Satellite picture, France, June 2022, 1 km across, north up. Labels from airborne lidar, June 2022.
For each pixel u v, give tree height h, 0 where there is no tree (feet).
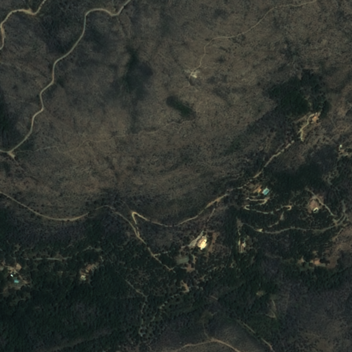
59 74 0
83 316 40
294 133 54
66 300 25
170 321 47
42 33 23
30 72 0
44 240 31
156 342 36
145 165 0
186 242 22
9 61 0
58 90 0
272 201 28
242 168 26
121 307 49
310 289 46
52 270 21
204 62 0
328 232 22
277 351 31
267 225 25
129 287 29
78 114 0
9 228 26
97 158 0
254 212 26
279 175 27
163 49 0
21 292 33
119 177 0
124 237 22
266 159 35
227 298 41
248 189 27
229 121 0
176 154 0
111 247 41
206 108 0
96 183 0
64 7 39
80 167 0
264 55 0
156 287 27
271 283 39
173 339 20
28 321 52
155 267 34
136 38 0
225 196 20
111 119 0
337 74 0
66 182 0
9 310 43
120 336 43
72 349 44
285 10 0
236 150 29
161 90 0
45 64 0
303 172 24
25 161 0
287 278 26
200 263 22
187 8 0
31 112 0
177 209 0
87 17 26
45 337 46
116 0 0
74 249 35
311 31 0
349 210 31
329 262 46
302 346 21
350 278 31
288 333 35
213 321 45
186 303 25
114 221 40
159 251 28
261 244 27
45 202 0
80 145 0
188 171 0
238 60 0
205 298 47
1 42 0
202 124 0
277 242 35
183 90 0
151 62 0
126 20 0
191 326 38
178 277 42
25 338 37
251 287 34
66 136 0
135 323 29
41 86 0
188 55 0
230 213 19
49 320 49
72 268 34
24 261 64
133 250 30
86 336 38
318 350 20
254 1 0
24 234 35
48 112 0
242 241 30
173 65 0
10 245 33
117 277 40
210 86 0
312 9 0
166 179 0
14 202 0
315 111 44
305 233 32
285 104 40
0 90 27
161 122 0
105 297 44
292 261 19
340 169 36
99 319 56
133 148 0
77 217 0
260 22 0
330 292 47
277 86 37
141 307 35
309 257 54
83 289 35
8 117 21
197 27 0
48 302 46
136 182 0
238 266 26
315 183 30
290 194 27
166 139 0
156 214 0
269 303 24
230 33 0
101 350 33
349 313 32
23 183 0
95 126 0
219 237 27
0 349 31
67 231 29
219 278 35
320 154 22
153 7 0
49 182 0
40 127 0
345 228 22
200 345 0
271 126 43
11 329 31
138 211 25
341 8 0
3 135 31
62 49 41
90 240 48
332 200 24
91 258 49
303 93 56
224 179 35
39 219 33
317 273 46
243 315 39
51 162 0
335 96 0
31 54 0
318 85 53
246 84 0
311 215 28
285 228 34
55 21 32
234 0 0
